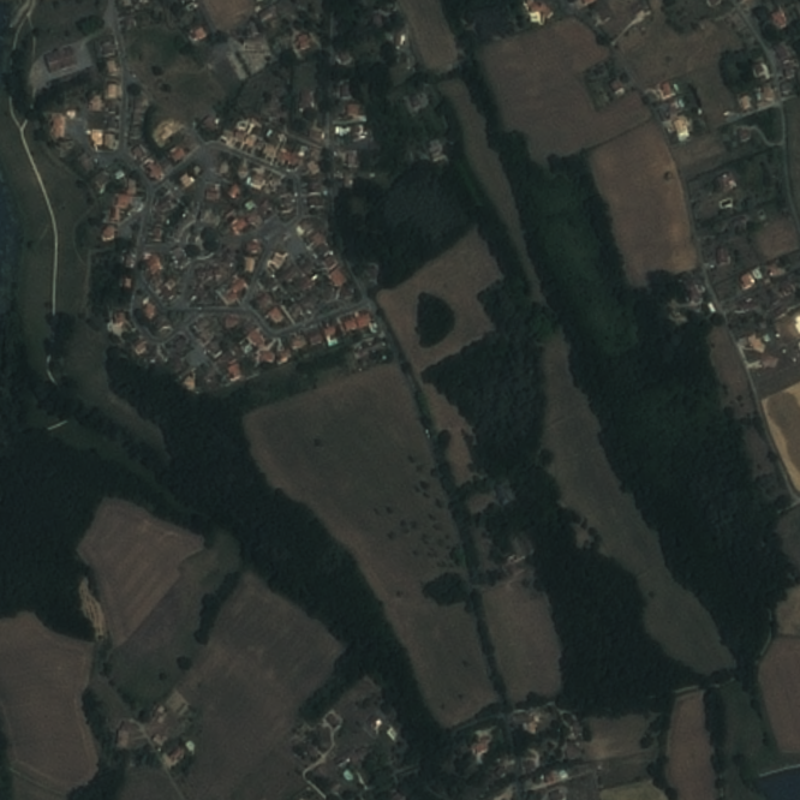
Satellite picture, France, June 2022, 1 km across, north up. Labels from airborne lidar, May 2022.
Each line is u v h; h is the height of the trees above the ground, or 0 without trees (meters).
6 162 0
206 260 0
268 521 14
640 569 0
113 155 0
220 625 0
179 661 12
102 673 7
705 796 0
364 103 7
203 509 14
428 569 0
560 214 7
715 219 6
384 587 0
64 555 9
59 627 15
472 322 0
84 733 0
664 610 0
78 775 0
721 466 14
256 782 0
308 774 9
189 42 9
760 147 7
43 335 0
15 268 0
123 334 7
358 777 0
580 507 0
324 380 0
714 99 0
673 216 0
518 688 0
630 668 17
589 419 0
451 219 22
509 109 0
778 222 0
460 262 0
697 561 21
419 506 0
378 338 8
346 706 0
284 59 14
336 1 16
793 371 0
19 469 23
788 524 0
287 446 0
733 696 0
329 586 11
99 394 0
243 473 21
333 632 12
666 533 22
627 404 13
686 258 0
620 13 0
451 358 16
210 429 12
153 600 0
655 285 27
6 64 0
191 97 0
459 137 7
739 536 19
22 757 0
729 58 14
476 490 13
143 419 13
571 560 16
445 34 0
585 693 15
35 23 0
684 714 0
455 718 0
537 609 0
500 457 21
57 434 0
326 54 16
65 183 0
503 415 23
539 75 0
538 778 9
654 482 13
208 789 0
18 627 0
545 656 0
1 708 0
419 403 11
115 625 0
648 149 0
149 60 0
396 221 21
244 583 0
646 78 0
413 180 21
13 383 21
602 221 19
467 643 0
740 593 15
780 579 18
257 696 0
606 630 19
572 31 0
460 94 0
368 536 0
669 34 0
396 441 0
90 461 23
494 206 8
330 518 0
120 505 0
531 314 11
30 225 0
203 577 0
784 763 0
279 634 0
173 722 0
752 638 15
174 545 0
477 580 10
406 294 0
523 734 12
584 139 0
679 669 20
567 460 0
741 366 0
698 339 19
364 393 0
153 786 0
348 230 18
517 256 14
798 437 0
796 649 0
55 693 0
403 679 12
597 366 11
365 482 0
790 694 0
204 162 0
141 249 0
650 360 12
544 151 0
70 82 11
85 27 22
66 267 0
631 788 0
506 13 15
